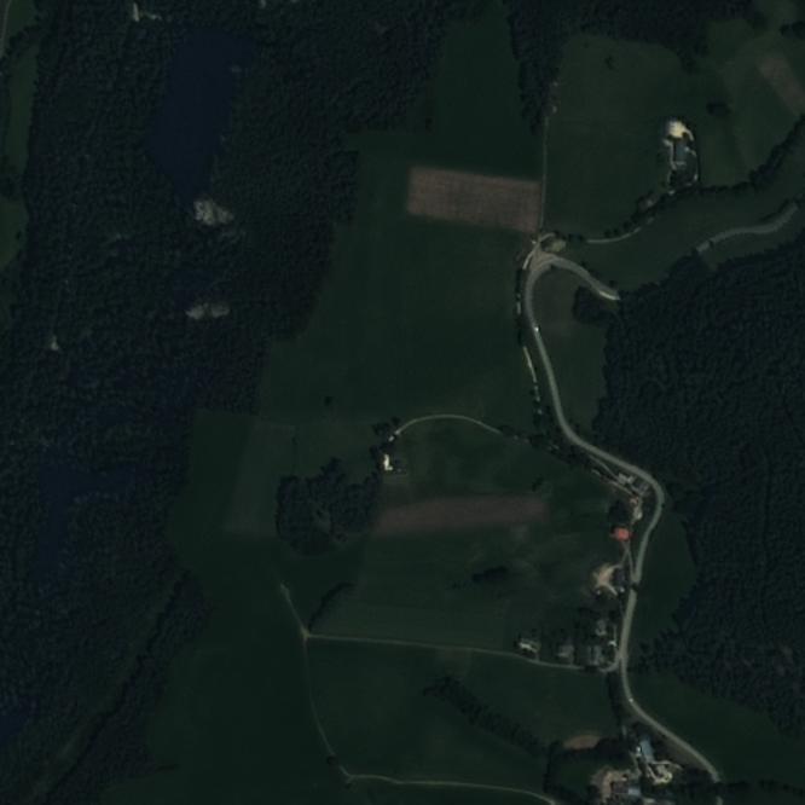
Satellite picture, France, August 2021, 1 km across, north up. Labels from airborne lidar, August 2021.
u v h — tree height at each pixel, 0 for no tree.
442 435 0
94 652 26
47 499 22
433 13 20
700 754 0
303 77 26
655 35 18
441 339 0
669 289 20
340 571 0
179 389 17
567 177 0
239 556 0
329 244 20
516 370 0
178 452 12
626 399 23
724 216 0
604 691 0
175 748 0
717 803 0
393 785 0
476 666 0
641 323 16
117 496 27
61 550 12
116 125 26
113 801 0
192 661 0
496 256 0
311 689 0
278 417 0
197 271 24
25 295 21
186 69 27
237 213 6
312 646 0
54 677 13
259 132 16
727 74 0
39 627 26
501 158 0
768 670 22
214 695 0
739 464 24
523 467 0
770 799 0
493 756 0
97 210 26
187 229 23
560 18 24
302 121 20
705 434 26
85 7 26
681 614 0
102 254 23
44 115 21
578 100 0
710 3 23
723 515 25
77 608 16
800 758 0
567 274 0
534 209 0
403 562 0
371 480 11
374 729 0
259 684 0
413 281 0
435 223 0
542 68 24
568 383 0
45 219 27
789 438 21
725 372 29
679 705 0
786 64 0
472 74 0
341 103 29
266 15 10
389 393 0
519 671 0
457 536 0
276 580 0
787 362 24
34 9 0
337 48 17
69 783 23
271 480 0
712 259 0
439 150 0
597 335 0
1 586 30
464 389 0
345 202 20
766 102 0
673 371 22
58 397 23
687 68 7
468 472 0
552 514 0
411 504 0
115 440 10
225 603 0
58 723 17
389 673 0
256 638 0
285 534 6
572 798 18
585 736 0
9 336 11
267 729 0
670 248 0
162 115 21
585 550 0
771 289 28
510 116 0
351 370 0
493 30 0
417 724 0
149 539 24
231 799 0
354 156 14
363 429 0
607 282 0
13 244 0
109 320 17
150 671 23
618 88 0
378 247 0
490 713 10
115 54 21
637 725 11
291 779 0
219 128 10
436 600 0
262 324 22
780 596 22
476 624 0
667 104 0
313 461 0
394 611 0
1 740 20
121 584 20
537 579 0
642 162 0
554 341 0
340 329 0
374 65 24
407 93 25
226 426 0
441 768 0
